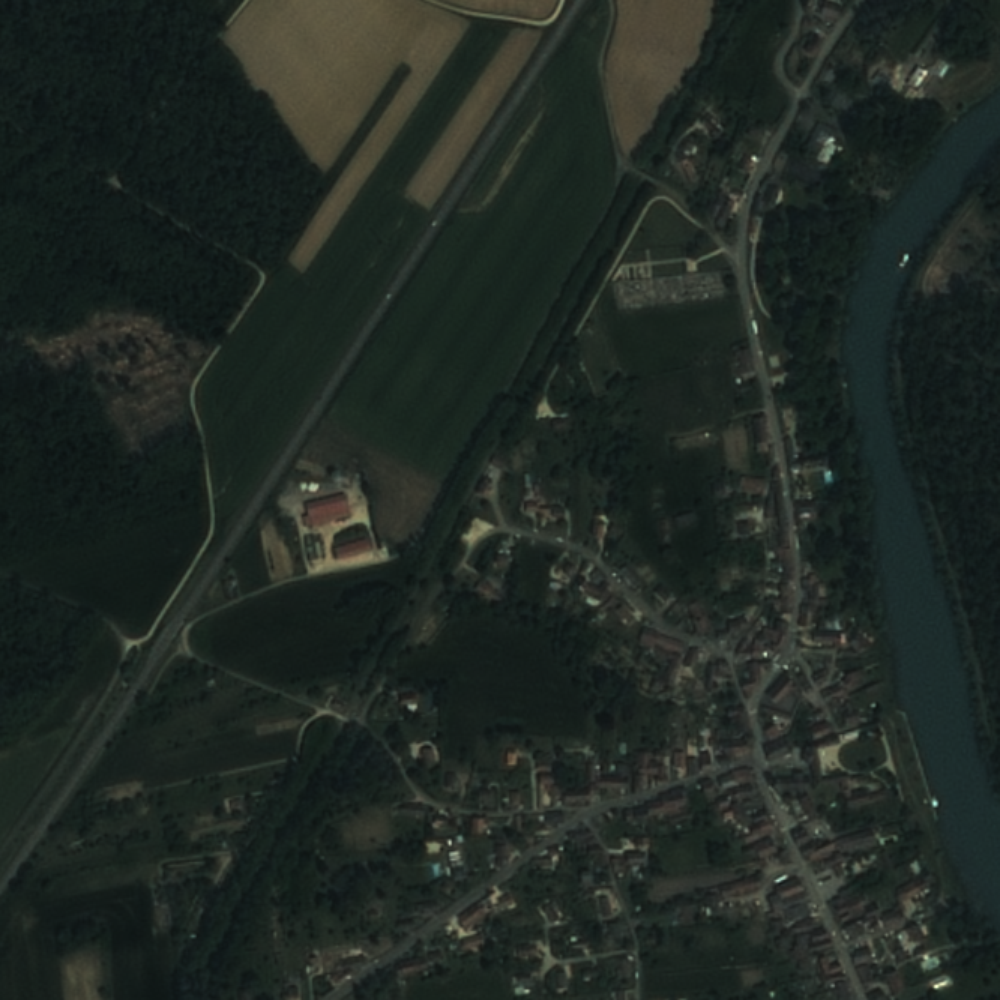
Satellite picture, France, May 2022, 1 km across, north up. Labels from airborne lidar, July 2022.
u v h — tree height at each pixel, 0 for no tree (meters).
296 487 0
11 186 14
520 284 0
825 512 21
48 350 0
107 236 22
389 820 0
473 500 0
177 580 0
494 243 0
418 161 0
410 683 11
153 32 14
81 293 25
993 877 0
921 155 16
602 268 10
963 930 20
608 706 19
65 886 0
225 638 0
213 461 0
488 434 20
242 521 0
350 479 0
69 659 25
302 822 17
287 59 0
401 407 0
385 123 0
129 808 11
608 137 0
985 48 25
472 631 0
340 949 0
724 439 0
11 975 0
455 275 0
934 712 0
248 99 25
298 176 28
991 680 18
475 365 0
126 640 0
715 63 7
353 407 0
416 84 0
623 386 8
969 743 0
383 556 0
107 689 0
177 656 0
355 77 0
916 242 0
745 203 0
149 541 0
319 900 12
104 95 27
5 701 30
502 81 0
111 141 29
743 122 9
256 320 0
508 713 0
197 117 25
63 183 22
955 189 0
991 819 0
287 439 0
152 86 20
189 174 23
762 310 0
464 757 8
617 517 11
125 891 0
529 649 0
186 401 0
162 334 0
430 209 0
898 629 0
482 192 0
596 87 0
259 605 0
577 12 0
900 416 14
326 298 0
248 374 0
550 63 0
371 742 25
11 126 13
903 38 0
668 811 0
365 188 0
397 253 0
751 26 0
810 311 31
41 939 0
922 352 23
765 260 23
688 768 0
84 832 11
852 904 0
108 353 25
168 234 9
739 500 7
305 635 0
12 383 31
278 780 10
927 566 0
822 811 9
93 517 10
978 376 13
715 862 16
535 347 6
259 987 16
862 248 17
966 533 27
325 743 7
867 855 5
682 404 0
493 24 0
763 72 0
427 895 16
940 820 0
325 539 0
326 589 0
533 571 0
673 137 8
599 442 7
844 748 0
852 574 26
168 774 0
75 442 11
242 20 0
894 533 0
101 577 0
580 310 9
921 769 0
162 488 9
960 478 25
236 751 0
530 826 8
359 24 0
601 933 11
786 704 0
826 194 8
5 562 14
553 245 0
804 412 23
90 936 13
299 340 0
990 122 0
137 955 0
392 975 8
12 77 24
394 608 15
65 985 0
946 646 0
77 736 0
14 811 0
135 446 0
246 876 26
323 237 0
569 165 0
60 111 16
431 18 0
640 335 0
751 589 8
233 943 29
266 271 22
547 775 0
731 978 0
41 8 26
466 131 0
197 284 23
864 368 0
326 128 0
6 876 0
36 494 12
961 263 0
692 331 0
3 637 24
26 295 23
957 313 12
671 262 0
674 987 0
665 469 0
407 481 0
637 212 8
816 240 23
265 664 0
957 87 0
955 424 27
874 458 0
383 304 0
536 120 0
